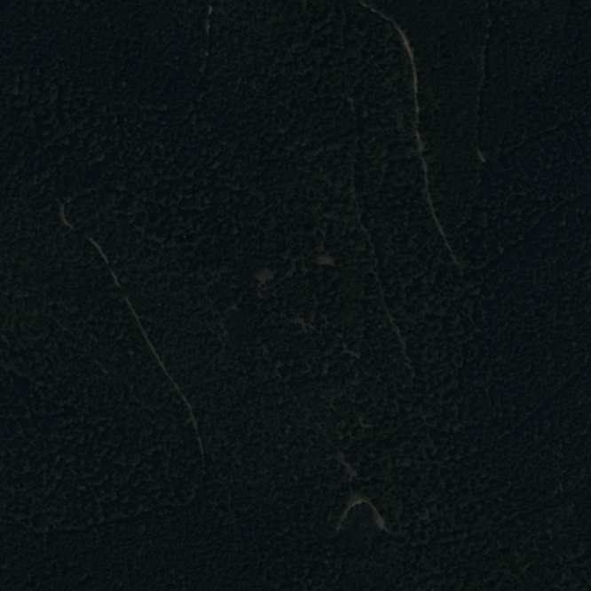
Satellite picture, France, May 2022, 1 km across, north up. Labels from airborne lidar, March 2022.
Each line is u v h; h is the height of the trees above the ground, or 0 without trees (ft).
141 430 117
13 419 46
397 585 65
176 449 109
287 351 32
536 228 41
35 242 60
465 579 39
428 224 68
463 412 118
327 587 64
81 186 64
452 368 107
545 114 90
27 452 127
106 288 83
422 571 90
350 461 41
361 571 54
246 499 102
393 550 76
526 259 116
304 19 58
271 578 89
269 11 25
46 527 73
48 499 102
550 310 88
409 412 69
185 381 36
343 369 46
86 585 72
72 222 40
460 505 76
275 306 34
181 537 90
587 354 75
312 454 31
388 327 106
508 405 91
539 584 64
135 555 55
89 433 85
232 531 98
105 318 78
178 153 119
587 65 79
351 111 55
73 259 75
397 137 109
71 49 99
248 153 115
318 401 65
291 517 76
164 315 57
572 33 96
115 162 110
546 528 80
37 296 95
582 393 82
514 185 75
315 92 105
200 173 110
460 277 104
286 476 31
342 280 50
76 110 43
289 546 82
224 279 30
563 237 101
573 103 64
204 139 130
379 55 115
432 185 32
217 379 71
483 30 55
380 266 107
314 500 81
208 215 66
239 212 106
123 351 97
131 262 56
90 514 42
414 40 52
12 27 113
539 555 51
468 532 96
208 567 62
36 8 110
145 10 53
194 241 100
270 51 63
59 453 104
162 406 41
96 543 52
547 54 74
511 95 65
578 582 66
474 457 72
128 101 56
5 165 40
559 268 113
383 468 101
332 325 25
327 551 63
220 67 100
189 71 99
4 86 102
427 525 74
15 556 61
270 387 55
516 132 92
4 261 64
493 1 81
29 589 65
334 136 38
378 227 108
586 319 74
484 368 133
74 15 100
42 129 87
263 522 60
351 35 91
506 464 90
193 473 101
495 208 110
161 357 39
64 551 67
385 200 109
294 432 34
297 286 32
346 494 65
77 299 95
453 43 58
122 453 106
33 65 106
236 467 86
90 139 108
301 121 69
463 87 67
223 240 52
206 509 63
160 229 47
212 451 44
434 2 59
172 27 24
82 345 98
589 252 114
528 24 66
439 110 52
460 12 64
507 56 96
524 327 84
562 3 72
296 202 41
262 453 58
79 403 128
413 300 109
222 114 110
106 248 44
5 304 59
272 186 92
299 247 56
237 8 85
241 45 70
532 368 83
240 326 36
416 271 97
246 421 93
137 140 104
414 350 114
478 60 48
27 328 28
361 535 47
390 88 91
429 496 94
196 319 65
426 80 49
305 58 97
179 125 86
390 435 44
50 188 49
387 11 60
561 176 89
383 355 110
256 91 73
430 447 68
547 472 89
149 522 66
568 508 73
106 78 88
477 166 60
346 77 102
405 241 113
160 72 73
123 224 34
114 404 124
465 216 44
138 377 70
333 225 40
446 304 81
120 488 129
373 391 109
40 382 56
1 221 25
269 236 41
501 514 94
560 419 76
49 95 105
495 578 54
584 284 97
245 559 86
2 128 84
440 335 115
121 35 92
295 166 82
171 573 71
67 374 46
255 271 36
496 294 89
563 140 38
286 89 108
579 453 73
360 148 100
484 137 79
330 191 34
